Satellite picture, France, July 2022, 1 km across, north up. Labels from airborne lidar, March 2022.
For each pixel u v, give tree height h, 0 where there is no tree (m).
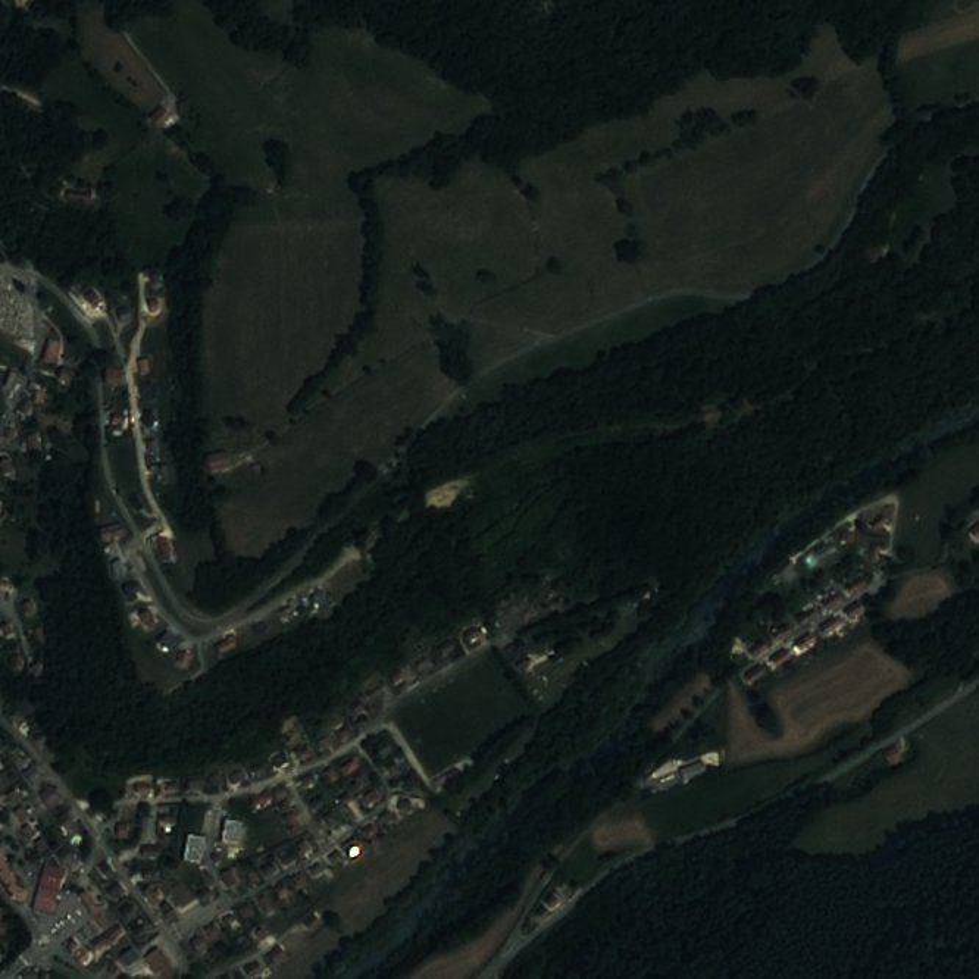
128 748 17
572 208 0
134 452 0
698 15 22
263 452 0
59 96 0
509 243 0
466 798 0
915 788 0
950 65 0
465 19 30
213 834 0
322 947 0
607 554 17
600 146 0
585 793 29
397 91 0
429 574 15
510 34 25
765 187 0
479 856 16
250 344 0
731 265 0
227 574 18
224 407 0
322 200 0
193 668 0
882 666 0
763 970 29
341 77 0
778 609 22
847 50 15
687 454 34
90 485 7
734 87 0
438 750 0
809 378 15
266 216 0
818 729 0
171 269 9
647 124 0
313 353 0
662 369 10
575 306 0
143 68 0
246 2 15
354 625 22
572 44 27
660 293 0
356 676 7
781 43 27
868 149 0
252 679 22
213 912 0
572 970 15
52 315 0
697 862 13
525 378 0
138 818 6
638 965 24
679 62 23
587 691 25
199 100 0
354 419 0
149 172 0
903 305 19
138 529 0
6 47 21
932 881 27
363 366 0
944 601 0
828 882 31
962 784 0
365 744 8
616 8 26
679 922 27
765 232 0
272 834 0
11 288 0
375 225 14
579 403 22
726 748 0
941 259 29
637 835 0
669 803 0
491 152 22
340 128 0
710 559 18
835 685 0
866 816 0
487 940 0
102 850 0
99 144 23
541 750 17
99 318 0
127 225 0
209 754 15
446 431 17
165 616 0
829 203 0
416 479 23
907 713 0
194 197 0
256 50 8
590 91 27
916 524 0
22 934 7
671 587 7
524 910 0
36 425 10
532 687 0
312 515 0
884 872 27
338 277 0
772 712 16
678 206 0
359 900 0
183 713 18
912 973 31
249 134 0
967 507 0
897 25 17
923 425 21
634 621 0
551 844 20
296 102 0
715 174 0
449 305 0
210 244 20
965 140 23
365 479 19
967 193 23
